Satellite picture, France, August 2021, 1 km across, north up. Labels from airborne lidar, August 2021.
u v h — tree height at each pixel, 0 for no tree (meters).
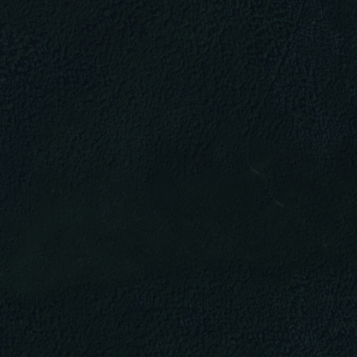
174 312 27
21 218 15
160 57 22
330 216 16
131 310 22
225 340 20
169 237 15
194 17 24
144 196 15
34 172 22
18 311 22
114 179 14
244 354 23
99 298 23
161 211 16
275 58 26
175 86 22
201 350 24
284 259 20
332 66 11
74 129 15
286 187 13
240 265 15
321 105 21
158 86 19
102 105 23
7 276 11
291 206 13
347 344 22
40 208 13
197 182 13
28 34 26
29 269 16
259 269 25
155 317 25
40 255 16
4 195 15
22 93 20
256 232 18
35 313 16
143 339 23
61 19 19
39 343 23
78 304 23
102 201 15
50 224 13
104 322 21
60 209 13
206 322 24
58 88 28
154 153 18
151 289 25
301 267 23
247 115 21
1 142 7
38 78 24
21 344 24
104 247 13
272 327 14
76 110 22
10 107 18
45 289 17
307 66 9
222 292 23
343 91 20
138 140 14
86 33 25
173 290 21
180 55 21
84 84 18
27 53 25
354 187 15
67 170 21
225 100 22
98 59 24
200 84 16
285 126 22
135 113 14
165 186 15
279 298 14
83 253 10
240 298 24
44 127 26
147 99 22
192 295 23
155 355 16
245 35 28
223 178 12
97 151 19
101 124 20
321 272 23
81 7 22
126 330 24
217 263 18
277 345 19
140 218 13
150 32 25
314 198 16
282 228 16
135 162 17
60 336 14
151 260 18
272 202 15
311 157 19
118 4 25
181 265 22
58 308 25
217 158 10
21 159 20
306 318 21
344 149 14
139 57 23
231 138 13
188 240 17
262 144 21
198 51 14
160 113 26
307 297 21
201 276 28
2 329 16
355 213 20
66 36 25
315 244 15
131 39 25
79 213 13
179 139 19
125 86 23
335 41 16
